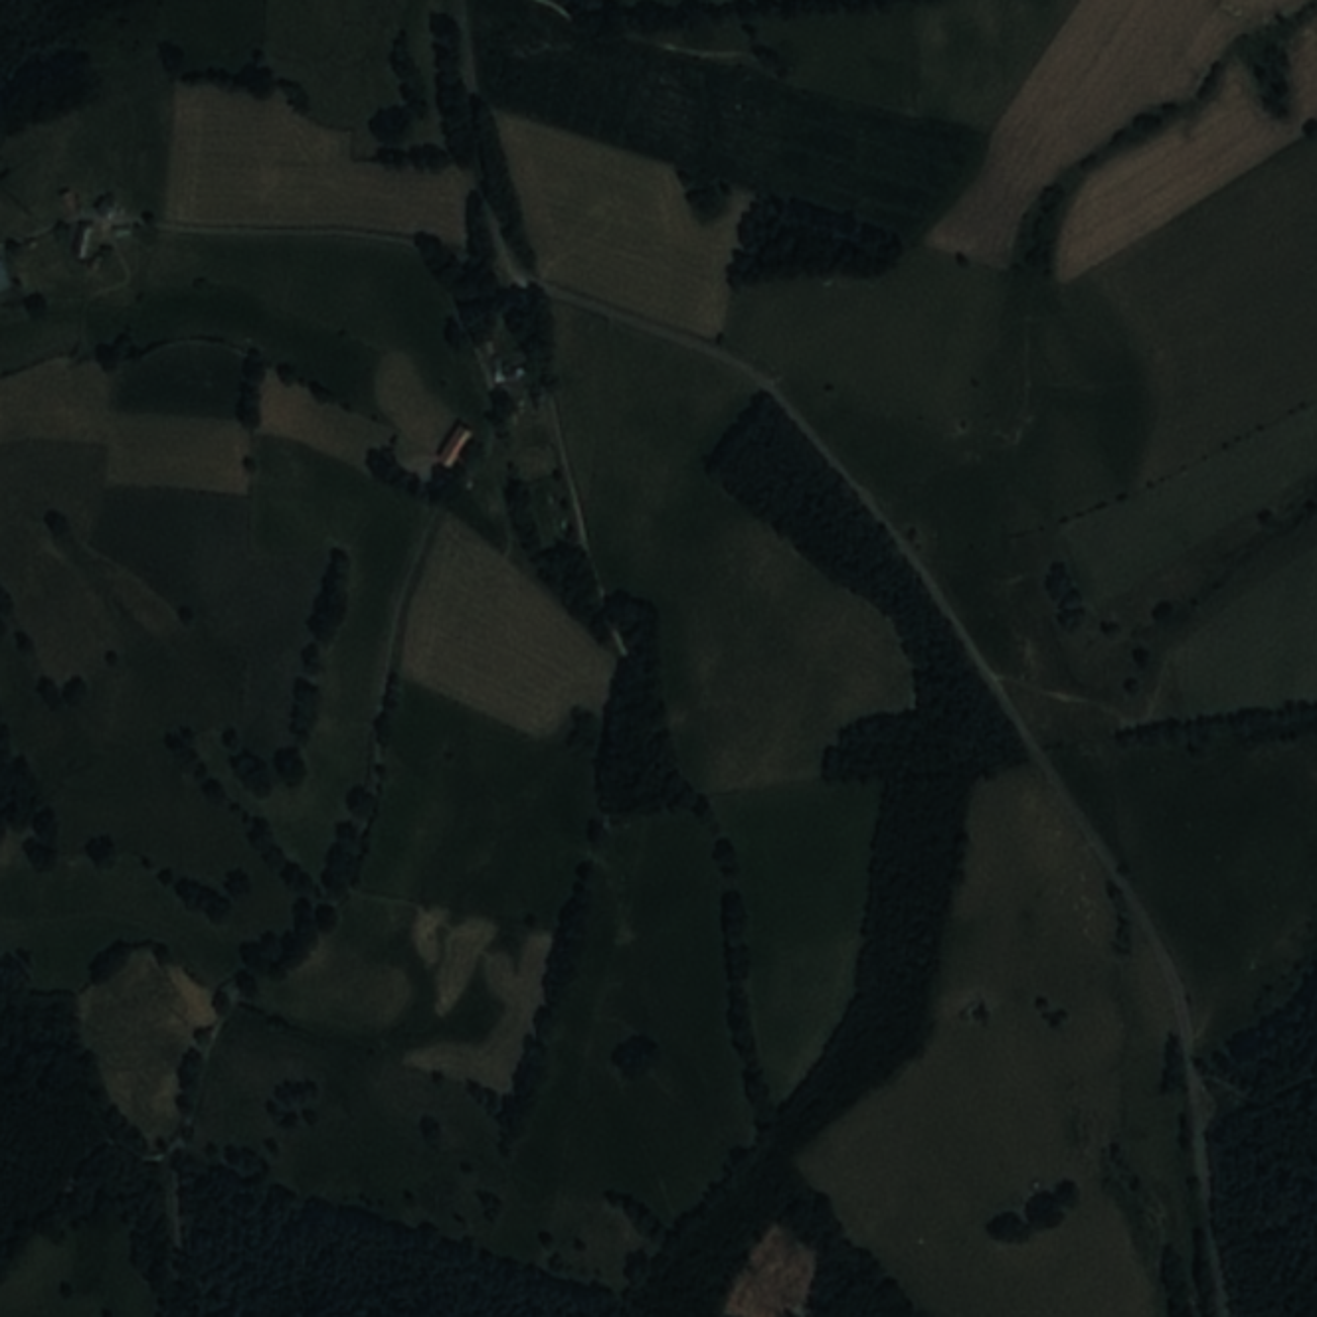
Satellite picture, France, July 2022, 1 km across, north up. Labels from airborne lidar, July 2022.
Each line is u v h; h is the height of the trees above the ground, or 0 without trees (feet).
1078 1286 0
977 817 0
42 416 0
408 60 35
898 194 0
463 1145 0
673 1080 0
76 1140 32
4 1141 26
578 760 0
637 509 0
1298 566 0
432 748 0
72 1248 0
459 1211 0
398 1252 67
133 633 0
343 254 0
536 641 0
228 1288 56
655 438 0
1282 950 0
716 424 0
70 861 0
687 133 0
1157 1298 0
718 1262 20
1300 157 0
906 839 34
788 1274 72
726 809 0
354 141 0
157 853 0
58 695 45
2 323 0
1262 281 0
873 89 0
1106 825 0
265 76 56
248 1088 0
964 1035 0
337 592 68
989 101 0
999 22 0
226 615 0
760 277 60
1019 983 0
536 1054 58
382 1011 0
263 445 0
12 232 0
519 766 0
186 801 0
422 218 0
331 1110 0
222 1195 67
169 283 0
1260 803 0
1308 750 0
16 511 0
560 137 0
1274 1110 32
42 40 31
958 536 0
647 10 57
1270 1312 32
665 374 0
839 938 0
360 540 0
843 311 0
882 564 46
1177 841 0
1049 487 0
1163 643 0
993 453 0
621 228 0
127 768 0
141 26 0
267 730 0
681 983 0
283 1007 0
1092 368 0
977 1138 0
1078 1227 0
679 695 0
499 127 38
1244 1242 36
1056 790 0
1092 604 0
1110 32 0
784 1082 0
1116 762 0
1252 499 0
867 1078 25
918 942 27
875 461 0
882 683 0
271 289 0
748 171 0
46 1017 42
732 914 55
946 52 0
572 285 0
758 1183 24
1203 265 0
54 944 0
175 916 0
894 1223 0
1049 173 0
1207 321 0
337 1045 0
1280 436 0
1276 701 0
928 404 0
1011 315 0
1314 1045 61
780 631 0
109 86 0
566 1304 81
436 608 0
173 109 0
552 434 0
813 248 61
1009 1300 0
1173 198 0
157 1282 64
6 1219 33
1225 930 0
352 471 0
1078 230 0
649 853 0
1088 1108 0
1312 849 0
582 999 0
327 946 0
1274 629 0
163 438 0
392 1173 0
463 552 0
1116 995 0
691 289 0
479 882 0
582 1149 0
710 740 0
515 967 0
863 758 45
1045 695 0
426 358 0
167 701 0
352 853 45
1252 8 0
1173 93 0
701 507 0
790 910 0
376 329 0
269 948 57
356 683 0
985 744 70
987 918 0
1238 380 0
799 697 0
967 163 0
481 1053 0
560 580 34
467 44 0
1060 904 0
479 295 47
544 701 0
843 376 0
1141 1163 0
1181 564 0
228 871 0
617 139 0
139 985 0
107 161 0
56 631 0
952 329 0
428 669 0
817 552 44
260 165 0
